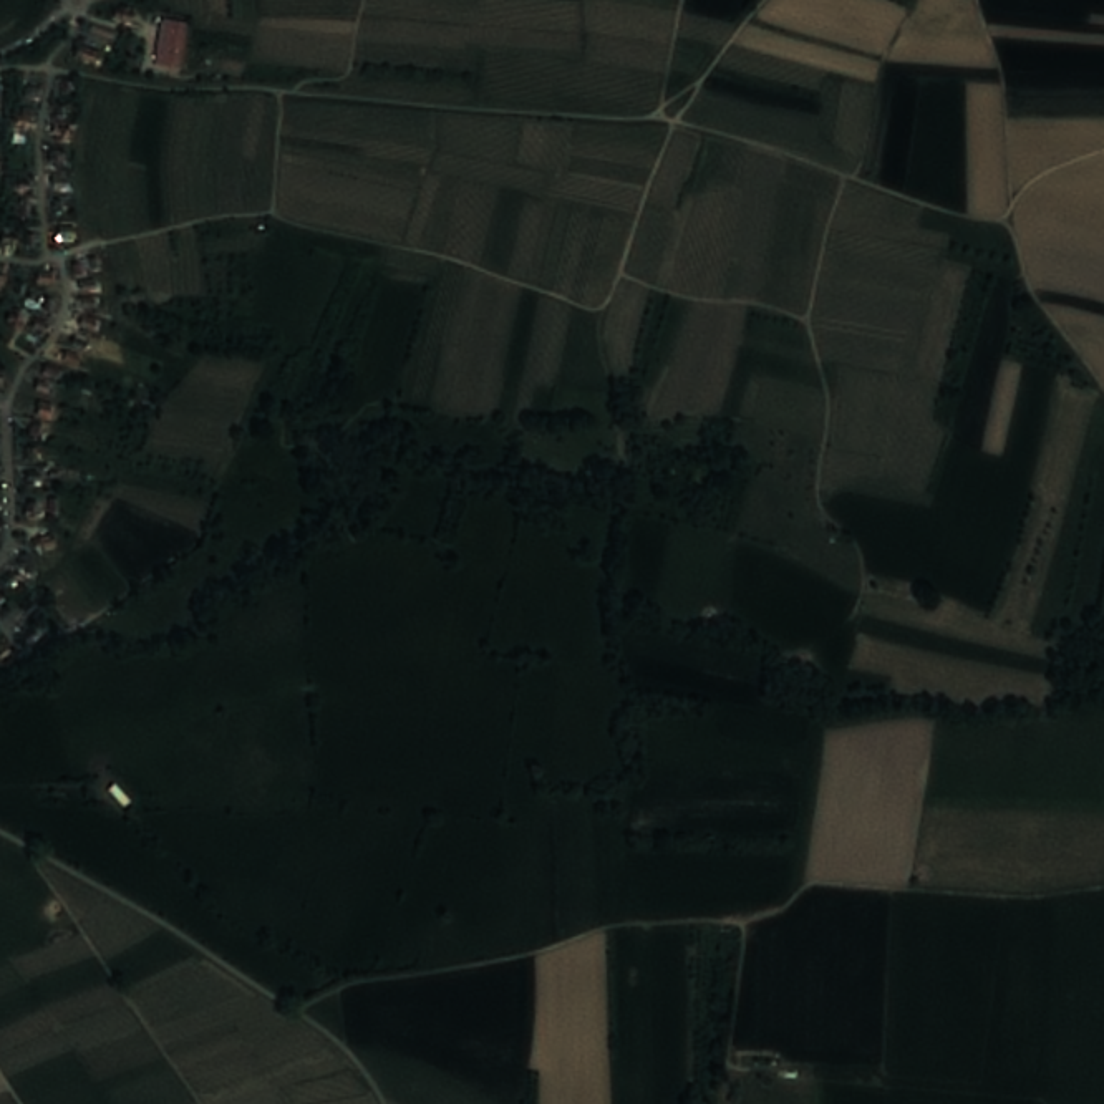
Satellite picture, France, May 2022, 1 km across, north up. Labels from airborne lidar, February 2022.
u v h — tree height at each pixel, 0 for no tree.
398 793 0
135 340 0
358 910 0
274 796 0
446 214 0
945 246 0
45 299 8
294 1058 0
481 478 12
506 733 0
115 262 0
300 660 0
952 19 0
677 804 0
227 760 0
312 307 0
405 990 0
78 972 0
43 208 0
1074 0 0
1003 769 0
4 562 0
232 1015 0
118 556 0
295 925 0
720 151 0
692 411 0
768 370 0
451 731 0
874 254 0
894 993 0
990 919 0
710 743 0
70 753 0
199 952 0
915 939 0
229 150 0
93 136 0
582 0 0
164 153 0
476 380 0
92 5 0
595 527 0
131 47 0
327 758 0
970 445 0
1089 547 0
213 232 0
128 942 0
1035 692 0
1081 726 0
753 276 0
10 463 0
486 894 0
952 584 0
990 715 14
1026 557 0
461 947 0
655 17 0
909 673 0
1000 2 0
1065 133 0
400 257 0
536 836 0
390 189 0
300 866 0
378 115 0
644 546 0
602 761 0
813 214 0
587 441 0
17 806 0
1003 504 0
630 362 0
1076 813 0
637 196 0
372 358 0
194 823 0
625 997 0
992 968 0
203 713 0
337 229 0
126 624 0
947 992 0
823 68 0
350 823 0
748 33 0
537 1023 0
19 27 0
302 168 0
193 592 0
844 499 0
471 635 0
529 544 0
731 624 17
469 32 0
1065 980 0
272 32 0
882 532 0
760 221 0
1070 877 0
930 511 0
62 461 0
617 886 0
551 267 0
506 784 0
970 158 0
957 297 0
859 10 0
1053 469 0
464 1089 0
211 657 0
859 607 0
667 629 13
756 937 0
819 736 0
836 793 0
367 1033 0
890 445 0
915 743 0
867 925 0
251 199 0
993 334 0
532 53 0
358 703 0
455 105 0
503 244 0
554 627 0
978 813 0
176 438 0
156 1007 0
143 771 0
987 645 0
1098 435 0
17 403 0
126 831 0
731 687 0
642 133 0
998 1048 0
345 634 0
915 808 0
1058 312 0
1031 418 0
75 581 0
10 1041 0
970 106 0
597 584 0
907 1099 0
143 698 0
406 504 0
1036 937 0
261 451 0
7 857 0
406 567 0
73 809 0
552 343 0
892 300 0
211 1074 0
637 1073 0
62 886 0
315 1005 0
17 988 0
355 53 0
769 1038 0
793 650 0
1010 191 0
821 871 0
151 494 0
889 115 0
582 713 0
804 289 0
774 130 0
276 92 0
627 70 0
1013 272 0
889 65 0
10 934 0
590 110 0
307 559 14
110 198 0
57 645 19
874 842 0
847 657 0
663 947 0
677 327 0
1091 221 0
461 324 0
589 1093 0
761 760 0
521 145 0
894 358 0
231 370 0
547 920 0
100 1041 0
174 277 0
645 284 0
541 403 0
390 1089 0
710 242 0
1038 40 0
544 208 0
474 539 0
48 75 0
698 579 0
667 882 0
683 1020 0
